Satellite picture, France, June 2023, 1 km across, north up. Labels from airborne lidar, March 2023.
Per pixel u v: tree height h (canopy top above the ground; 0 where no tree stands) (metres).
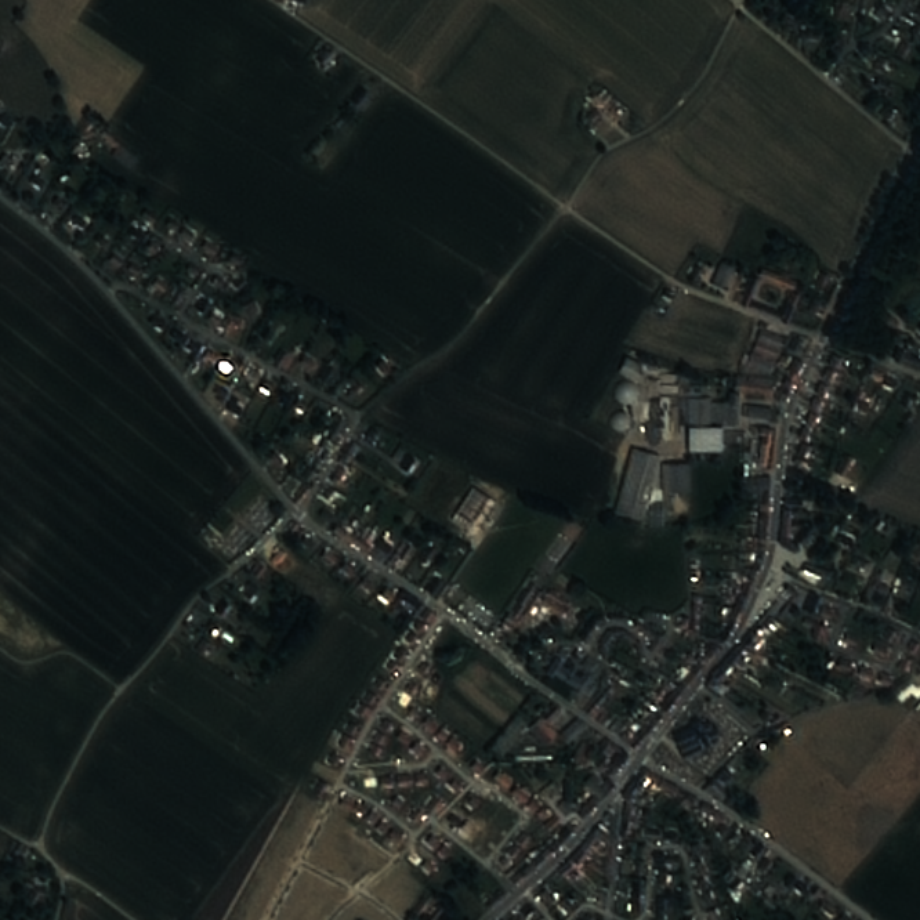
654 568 0
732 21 0
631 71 0
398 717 0
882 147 0
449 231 0
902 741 0
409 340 0
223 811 0
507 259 0
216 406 0
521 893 0
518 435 0
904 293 0
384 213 0
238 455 0
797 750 0
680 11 0
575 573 0
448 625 0
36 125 19
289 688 0
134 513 0
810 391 0
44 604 0
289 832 0
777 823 0
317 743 0
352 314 0
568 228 0
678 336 0
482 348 0
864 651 0
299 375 0
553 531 0
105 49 0
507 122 0
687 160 0
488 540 0
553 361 0
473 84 0
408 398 0
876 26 7
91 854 0
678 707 0
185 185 0
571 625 0
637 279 0
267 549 0
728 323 0
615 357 0
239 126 0
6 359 0
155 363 0
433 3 0
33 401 0
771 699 0
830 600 0
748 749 8
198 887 0
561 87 0
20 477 0
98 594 0
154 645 0
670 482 0
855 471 0
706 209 0
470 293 0
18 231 0
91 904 0
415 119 0
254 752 0
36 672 0
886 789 0
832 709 0
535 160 0
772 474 0
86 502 0
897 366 0
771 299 10
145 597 0
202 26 0
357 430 0
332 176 0
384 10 0
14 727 0
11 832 0
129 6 0
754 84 0
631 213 0
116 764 0
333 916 0
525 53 0
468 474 0
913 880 0
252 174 0
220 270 0
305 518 0
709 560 0
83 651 0
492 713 0
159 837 0
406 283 0
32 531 0
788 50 0
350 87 0
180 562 0
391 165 0
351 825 0
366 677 0
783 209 0
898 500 0
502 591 0
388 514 0
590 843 0
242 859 0
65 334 0
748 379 0
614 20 0
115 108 0
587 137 0
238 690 0
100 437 0
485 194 0
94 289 0
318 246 0
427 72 0
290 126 0
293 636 28
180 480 0
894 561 0
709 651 0
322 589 0
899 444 0
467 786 0
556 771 0
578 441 0
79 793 0
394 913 0
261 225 0
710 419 0
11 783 0
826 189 0
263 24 0
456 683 0
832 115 0
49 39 0
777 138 0
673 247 0
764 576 0
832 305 0
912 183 23
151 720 0
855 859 0
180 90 0
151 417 0
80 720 0
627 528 0
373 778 0
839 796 0
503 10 0
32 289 0
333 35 0
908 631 0
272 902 0
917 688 0
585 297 0
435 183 0
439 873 0
